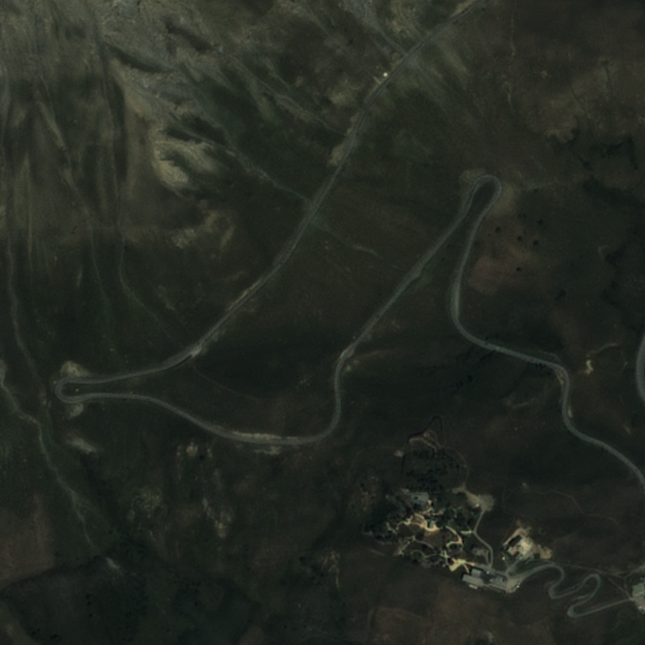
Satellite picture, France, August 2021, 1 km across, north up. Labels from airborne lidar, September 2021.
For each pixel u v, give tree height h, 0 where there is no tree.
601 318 0
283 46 0
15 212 0
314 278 0
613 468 0
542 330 0
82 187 0
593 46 0
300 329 0
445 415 0
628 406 0
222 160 0
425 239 0
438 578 0
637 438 0
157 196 0
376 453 0
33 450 0
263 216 0
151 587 0
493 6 0
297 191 0
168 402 0
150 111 0
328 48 0
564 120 0
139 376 0
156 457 0
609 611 0
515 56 0
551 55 0
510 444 0
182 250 0
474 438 0
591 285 0
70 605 0
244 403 0
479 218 0
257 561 0
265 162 0
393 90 0
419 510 8
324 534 0
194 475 0
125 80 0
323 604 0
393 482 0
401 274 0
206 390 0
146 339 0
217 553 0
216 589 0
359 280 0
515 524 0
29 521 0
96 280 0
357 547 0
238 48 0
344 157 0
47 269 0
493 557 0
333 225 0
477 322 0
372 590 0
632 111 0
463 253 0
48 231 0
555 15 0
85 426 0
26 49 0
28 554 0
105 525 0
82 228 0
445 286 0
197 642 0
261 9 0
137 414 0
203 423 0
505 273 0
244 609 0
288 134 0
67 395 0
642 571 0
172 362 0
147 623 0
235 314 0
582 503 0
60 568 0
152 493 0
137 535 0
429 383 0
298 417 0
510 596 0
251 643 0
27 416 0
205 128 0
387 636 0
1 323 0
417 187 0
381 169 0
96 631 0
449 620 0
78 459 0
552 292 0
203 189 0
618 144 0
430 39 0
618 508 0
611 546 0
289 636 0
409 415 0
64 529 0
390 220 0
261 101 0
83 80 0
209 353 0
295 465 0
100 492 0
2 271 0
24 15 0
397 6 0
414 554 0
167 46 0
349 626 0
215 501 0
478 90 0
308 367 0
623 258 0
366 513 0
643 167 0
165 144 0
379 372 0
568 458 0
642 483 0
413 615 0
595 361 0
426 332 0
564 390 0
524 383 0
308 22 0
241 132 0
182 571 0
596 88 0
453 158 0
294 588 0
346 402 0
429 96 0
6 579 0
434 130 0
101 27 0
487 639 0
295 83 0
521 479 0
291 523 0
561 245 0
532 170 0
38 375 0
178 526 0
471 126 0
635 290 0
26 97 0
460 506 0
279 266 0
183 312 0
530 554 0
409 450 0
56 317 0
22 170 0
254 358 0
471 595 0
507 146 0
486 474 0
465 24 0
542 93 0
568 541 0
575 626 0
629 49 0
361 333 0
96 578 0
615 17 0
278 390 0
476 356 0
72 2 0
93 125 0
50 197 0
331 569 0
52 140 0
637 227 0
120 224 0
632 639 0
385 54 0
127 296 0
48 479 0
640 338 0
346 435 0
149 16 0
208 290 0
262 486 0
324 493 0
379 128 0
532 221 0
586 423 0
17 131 0
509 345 0
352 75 0
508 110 0
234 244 0
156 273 0
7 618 0
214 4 0
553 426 0
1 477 0
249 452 0
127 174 0
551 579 0
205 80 0
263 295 0
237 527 0
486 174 0
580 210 0
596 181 0
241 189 0
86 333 0
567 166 0
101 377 0
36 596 0
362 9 0
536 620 0
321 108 0
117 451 0
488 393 0
